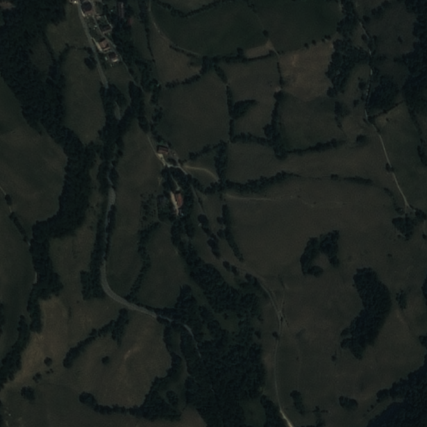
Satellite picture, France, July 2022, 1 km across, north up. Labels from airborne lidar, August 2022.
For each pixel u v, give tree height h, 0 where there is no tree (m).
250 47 0
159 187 0
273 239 0
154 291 0
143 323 0
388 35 0
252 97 0
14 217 9
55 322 0
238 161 0
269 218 0
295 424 0
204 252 0
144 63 12
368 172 0
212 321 17
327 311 0
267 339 0
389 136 0
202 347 19
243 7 0
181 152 0
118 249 0
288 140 0
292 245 0
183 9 0
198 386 21
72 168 24
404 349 0
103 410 18
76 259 0
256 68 0
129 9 19
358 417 0
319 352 0
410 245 0
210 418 20
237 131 0
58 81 31
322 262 0
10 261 0
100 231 17
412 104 11
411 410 33
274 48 0
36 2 27
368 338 26
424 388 32
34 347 0
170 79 0
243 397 18
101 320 0
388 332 0
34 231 13
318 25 0
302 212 0
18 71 37
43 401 0
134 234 0
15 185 0
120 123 16
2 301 0
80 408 0
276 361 0
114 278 0
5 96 0
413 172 0
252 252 0
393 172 9
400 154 0
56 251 0
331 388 0
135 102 24
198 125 0
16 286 0
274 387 0
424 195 0
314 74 0
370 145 0
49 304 0
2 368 10
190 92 0
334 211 0
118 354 0
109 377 0
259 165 0
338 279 0
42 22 37
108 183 22
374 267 0
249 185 8
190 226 20
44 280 27
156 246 0
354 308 0
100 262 19
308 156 0
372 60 15
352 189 0
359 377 0
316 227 0
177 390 0
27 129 0
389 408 0
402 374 0
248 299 8
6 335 0
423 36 22
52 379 0
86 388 0
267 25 0
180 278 0
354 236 0
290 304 0
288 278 0
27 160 0
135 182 0
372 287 26
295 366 0
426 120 0
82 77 0
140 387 0
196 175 0
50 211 0
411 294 0
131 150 0
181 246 15
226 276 0
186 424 0
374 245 0
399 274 0
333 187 0
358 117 0
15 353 13
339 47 18
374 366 0
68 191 32
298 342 0
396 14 0
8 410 0
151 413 22
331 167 0
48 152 0
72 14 0
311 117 0
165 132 0
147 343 0
